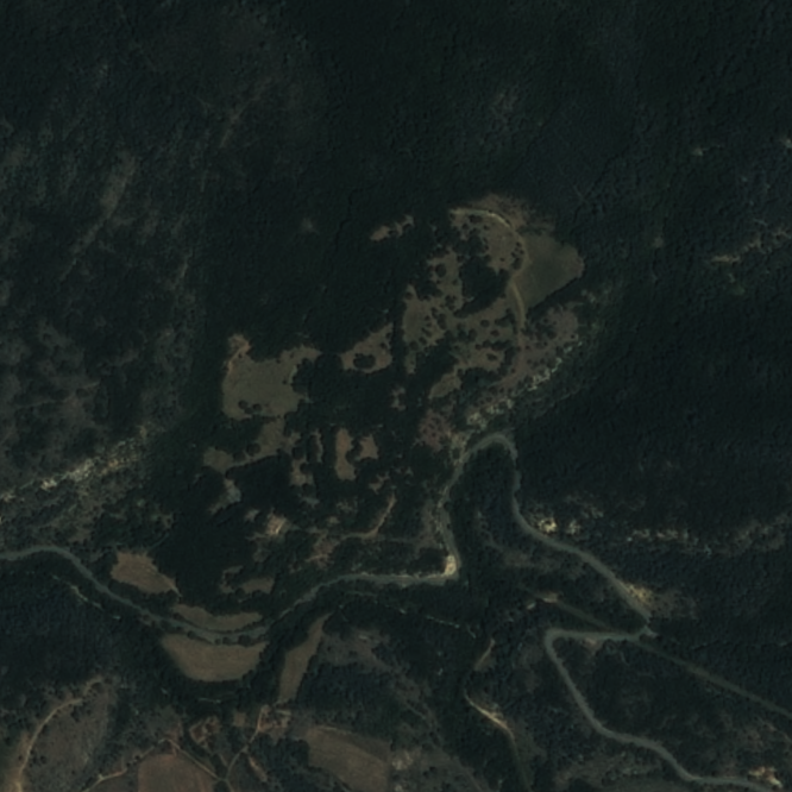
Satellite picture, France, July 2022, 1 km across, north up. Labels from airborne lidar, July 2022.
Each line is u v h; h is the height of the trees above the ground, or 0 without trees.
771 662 15
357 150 16
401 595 15
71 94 8
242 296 10
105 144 8
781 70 20
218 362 9
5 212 9
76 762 0
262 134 6
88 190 5
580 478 6
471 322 0
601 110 12
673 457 6
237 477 19
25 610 18
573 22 13
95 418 6
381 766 0
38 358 8
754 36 16
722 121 15
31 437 6
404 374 12
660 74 17
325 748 0
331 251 10
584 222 17
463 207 6
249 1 10
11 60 9
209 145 7
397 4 9
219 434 18
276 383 0
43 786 0
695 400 17
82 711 7
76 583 16
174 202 7
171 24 11
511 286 0
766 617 8
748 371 14
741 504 8
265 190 12
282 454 13
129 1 12
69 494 8
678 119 17
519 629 10
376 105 18
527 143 11
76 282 8
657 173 18
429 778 11
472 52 14
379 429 7
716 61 18
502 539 9
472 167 8
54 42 11
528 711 10
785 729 7
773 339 18
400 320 13
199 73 6
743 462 11
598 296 6
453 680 15
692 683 11
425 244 17
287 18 15
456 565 0
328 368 20
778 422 14
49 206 6
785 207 12
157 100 12
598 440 10
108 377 8
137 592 11
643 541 9
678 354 14
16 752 0
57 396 7
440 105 13
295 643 26
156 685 13
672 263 20
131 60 9
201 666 0
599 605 7
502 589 11
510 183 13
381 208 21
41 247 8
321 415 11
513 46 11
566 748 12
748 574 13
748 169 15
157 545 14
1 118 6
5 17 9
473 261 14
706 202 19
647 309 18
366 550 9
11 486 8
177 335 9
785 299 15
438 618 7
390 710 8
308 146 8
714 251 13
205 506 13
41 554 11
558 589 12
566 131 14
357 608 11
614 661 8
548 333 5
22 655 9
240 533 13
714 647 13
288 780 12
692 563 15
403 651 6
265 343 14
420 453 11
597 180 9
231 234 9
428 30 16
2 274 7
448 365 14
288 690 0
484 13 13
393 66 16
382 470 13
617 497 6
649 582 13
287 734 7
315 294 13
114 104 10
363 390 12
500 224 0
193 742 13
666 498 7
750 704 17
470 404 5
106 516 10
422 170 13
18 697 7
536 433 16
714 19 16
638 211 9
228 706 12
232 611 15
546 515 10
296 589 13
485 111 10
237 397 0
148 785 0
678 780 8
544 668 7
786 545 7
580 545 11
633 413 17
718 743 6
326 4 19
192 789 0
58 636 6
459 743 13
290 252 6
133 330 7
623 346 17
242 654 0
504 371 6
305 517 10
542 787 11
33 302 6
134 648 13
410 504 10
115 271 8
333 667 7
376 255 15
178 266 8
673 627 11
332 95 12
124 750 11
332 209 18
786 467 11
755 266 12
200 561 15
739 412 16
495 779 6
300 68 7
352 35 17
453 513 12
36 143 6
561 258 0
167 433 10
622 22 11
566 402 16
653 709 8
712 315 18
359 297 15
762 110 19
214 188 9
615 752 11
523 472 14
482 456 14
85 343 7
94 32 9
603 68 7
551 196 14
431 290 13
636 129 20
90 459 10
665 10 19
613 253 12
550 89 14
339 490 12
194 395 10
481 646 11
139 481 8
